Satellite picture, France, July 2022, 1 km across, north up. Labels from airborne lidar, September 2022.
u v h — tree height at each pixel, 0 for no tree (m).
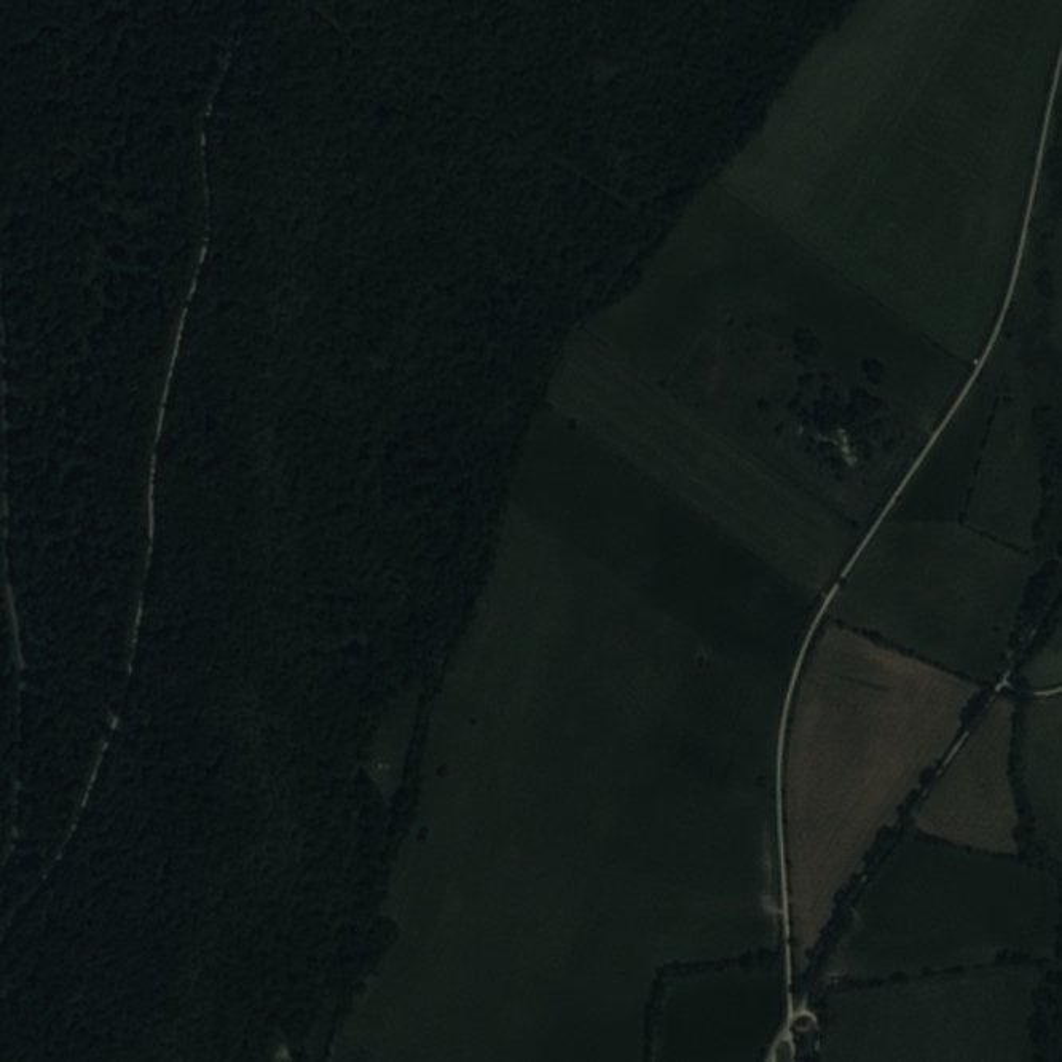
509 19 19
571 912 0
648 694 0
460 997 0
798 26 16
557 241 16
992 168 0
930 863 0
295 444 24
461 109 14
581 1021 0
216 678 14
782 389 0
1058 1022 25
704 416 0
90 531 23
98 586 14
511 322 30
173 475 14
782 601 0
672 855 0
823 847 0
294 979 27
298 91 18
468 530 20
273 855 13
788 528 0
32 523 19
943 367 0
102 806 18
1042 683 0
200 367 15
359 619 12
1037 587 17
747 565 0
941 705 0
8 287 9
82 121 23
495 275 14
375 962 14
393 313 22
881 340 0
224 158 13
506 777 0
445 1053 0
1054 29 0
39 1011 18
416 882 0
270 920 19
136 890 18
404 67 18
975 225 0
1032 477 0
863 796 0
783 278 0
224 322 17
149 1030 12
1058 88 0
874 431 10
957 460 0
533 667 0
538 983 0
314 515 21
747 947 0
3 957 15
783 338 0
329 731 30
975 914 0
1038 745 0
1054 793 0
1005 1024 0
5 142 21
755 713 0
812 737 0
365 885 17
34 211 16
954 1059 0
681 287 0
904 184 0
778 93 13
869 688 0
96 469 21
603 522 0
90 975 16
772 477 0
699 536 0
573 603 0
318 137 20
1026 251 0
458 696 0
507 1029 0
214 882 10
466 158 14
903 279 0
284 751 17
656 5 13
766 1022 0
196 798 18
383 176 19
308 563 25
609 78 6
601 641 0
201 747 21
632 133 14
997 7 0
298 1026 16
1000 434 0
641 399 0
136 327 20
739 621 0
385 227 19
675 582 0
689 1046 0
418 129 21
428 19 18
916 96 0
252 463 15
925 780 13
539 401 21
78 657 18
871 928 0
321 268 22
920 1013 0
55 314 15
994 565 0
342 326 27
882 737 0
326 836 25
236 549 17
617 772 0
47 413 17
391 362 11
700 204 0
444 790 0
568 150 13
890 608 0
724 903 0
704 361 0
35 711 22
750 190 0
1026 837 10
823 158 0
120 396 17
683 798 0
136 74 20
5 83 17
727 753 0
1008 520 0
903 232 0
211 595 16
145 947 14
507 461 15
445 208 19
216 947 20
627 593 0
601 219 15
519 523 0
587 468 0
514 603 0
